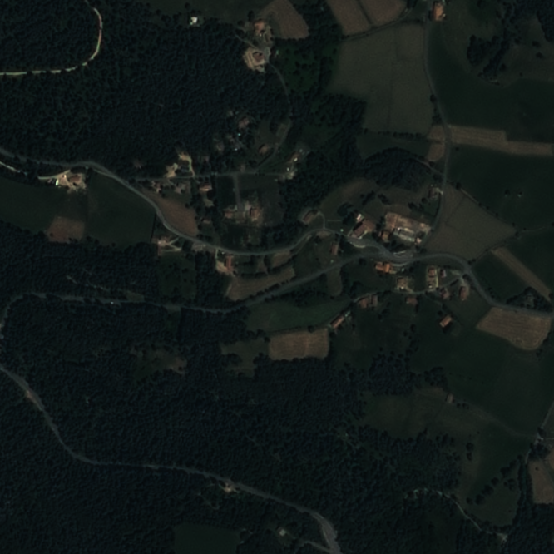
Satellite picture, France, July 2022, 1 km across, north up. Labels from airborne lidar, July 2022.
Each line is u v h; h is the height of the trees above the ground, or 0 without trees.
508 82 0
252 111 15
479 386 0
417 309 8
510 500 0
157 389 17
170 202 0
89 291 22
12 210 0
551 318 0
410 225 0
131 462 27
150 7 7
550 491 0
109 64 12
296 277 6
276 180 0
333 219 0
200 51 13
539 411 0
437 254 0
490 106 0
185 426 19
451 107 0
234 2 0
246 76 12
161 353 0
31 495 16
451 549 0
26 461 29
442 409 0
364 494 13
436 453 11
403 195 0
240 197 0
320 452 29
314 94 8
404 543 23
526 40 0
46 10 19
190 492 23
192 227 0
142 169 10
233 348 0
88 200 0
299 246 0
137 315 29
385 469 26
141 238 0
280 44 14
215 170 16
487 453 0
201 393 24
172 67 17
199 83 14
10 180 11
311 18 16
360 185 0
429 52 0
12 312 15
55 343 16
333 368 16
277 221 0
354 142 19
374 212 0
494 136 0
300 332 0
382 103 0
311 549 14
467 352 0
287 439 19
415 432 0
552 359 0
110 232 0
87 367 26
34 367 14
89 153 13
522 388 0
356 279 0
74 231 0
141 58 18
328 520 11
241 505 19
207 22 7
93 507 24
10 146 14
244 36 8
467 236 0
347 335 0
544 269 0
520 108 0
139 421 24
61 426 28
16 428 29
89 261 18
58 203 0
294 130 8
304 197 10
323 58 10
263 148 0
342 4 0
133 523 19
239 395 10
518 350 0
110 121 16
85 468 23
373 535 16
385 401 0
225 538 0
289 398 13
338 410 22
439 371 12
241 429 10
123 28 12
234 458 17
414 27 0
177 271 13
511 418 0
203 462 12
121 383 24
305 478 9
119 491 26
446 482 13
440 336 0
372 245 0
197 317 22
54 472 24
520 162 0
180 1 0
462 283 0
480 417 0
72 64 8
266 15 0
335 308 0
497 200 0
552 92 0
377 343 0
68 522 13
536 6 19
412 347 7
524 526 16
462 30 0
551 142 0
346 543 14
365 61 0
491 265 0
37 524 17
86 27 14
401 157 16
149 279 25
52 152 10
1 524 26
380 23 0
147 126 18
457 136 0
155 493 26
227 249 0
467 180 0
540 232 0
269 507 19
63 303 11
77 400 22
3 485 23
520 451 0
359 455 24
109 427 20
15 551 14
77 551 13
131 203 0
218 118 16
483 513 0
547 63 0
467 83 0
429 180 0
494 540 14
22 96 16
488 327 0
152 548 15
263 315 0
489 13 0
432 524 10
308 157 10
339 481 19
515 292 0
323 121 10
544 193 0
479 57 17
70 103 13
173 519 13
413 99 0
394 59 0
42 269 27
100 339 17
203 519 16
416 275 0
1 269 24
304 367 19
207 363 21
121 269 20
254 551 11
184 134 16
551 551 19
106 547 22
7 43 14
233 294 0
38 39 11
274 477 14
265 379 19
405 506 15
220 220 9
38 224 0
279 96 12
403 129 0
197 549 0
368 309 6
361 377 16
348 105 13
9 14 9
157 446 24
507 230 0
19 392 21
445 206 0
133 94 16
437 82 0
